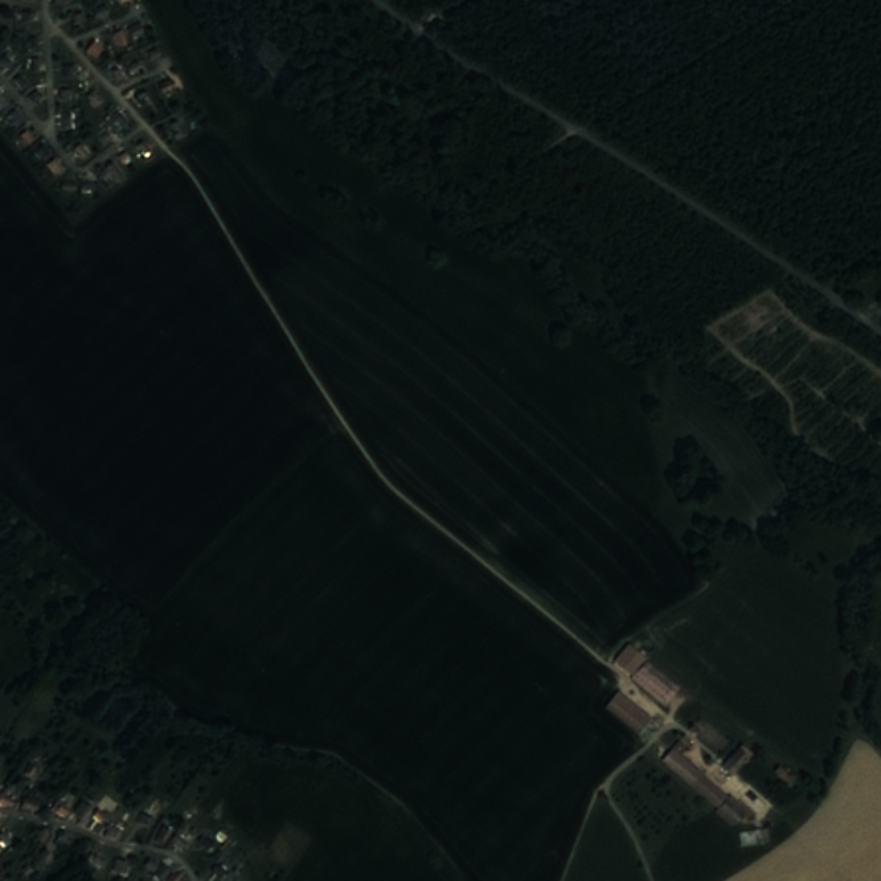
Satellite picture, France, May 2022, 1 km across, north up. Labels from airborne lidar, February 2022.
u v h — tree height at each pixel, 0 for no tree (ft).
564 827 0
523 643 0
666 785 38
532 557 0
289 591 0
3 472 0
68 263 0
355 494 0
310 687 0
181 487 0
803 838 0
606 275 42
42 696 0
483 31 65
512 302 0
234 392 0
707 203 44
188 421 0
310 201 0
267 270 0
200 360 0
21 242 0
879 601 77
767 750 0
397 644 0
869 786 0
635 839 0
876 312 0
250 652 0
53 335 0
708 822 0
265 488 0
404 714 0
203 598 0
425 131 99
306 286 0
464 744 0
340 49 112
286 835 0
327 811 0
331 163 0
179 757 53
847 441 0
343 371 0
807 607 0
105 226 0
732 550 0
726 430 0
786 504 0
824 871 0
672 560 0
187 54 0
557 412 0
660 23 71
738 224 53
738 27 85
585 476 0
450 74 99
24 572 30
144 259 0
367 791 0
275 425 0
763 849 0
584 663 0
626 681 0
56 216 0
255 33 102
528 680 0
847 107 81
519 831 0
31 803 0
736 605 0
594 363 0
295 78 90
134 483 0
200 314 0
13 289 0
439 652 0
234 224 0
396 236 0
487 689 0
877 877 0
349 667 0
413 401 0
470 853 0
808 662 0
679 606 0
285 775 0
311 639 0
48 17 0
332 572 0
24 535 61
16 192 0
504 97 95
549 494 0
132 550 0
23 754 21
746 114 62
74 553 0
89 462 0
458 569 0
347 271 0
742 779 0
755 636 0
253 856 0
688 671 0
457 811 0
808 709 0
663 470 0
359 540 0
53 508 0
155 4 0
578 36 62
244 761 0
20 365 0
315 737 0
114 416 0
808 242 73
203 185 0
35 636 65
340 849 0
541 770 0
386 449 0
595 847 0
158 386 0
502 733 0
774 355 0
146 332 0
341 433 0
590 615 0
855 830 0
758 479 0
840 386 0
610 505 0
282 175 0
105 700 58
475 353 0
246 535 0
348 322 0
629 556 0
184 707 0
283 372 0
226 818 0
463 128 121
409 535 0
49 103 0
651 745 0
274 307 0
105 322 0
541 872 0
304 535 0
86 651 76
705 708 0
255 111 0
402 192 40
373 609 0
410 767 0
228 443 0
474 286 0
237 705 0
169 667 0
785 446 84
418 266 0
